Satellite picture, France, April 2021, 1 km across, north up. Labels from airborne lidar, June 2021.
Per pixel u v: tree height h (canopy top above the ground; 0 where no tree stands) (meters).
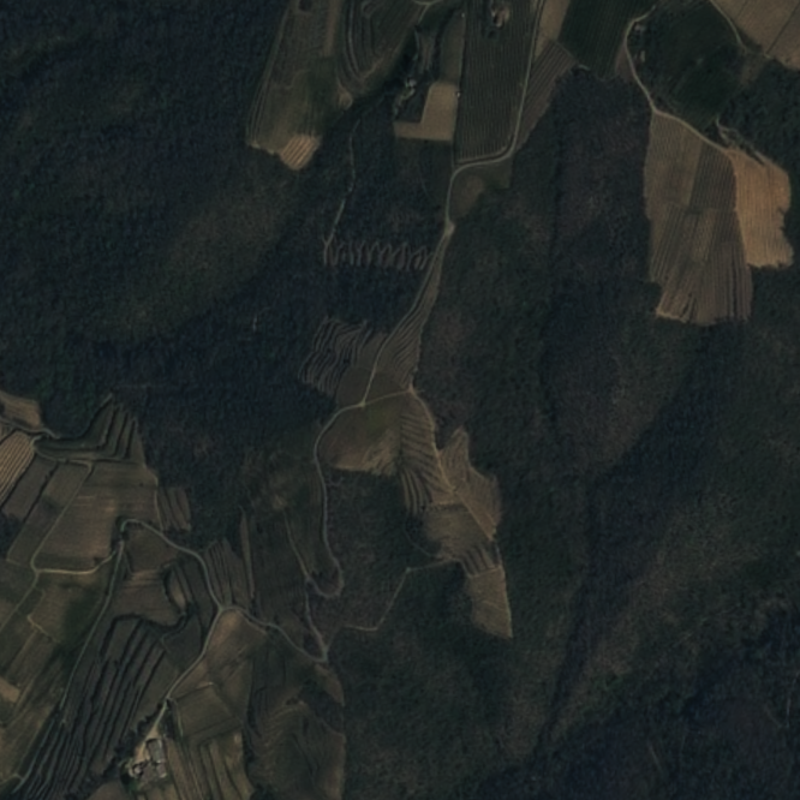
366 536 8
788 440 7
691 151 0
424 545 8
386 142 7
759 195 0
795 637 23
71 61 16
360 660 12
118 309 6
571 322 7
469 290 8
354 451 0
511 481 18
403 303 11
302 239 15
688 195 0
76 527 0
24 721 0
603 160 8
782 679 14
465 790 19
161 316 7
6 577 0
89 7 17
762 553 17
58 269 18
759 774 11
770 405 10
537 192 7
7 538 10
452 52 0
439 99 0
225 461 7
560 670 12
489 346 11
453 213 0
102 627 0
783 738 10
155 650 0
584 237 11
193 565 0
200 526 9
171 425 10
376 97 9
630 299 7
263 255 10
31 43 13
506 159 0
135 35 15
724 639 16
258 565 0
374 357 0
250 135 0
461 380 13
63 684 0
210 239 10
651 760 22
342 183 8
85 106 13
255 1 8
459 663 8
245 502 7
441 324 7
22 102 13
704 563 6
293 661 0
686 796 16
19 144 9
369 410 0
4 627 0
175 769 0
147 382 11
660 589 9
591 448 13
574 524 14
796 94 12
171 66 13
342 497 6
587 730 16
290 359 12
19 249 24
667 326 11
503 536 13
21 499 0
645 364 7
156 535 0
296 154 0
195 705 0
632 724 18
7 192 16
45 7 17
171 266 8
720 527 6
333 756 0
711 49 0
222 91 11
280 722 0
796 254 7
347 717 10
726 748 8
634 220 8
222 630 0
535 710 9
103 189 11
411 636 10
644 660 15
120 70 12
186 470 7
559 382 10
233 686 0
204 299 14
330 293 16
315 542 0
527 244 9
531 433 15
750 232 0
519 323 16
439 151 0
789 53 0
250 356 9
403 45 0
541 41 0
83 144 11
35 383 15
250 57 6
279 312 16
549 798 7
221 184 6
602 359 6
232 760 0
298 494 0
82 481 0
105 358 9
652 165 0
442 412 11
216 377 11
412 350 0
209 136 13
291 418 8
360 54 0
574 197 7
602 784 15
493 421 15
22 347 11
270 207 9
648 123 9
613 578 7
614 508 9
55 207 17
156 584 0
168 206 10
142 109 11
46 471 0
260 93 0
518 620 9
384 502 6
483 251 11
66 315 6
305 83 0
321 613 7
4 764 0
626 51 0
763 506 6
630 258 8
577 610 20
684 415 11
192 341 17
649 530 12
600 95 15
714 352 12
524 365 15
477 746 12
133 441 0
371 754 11
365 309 12
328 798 0
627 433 11
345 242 10
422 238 8
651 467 11
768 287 6
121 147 11
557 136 10
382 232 7
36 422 0
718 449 7
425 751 10
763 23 0
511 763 13
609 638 8
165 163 12
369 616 7
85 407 15
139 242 9
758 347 9
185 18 13
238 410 12
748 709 17
